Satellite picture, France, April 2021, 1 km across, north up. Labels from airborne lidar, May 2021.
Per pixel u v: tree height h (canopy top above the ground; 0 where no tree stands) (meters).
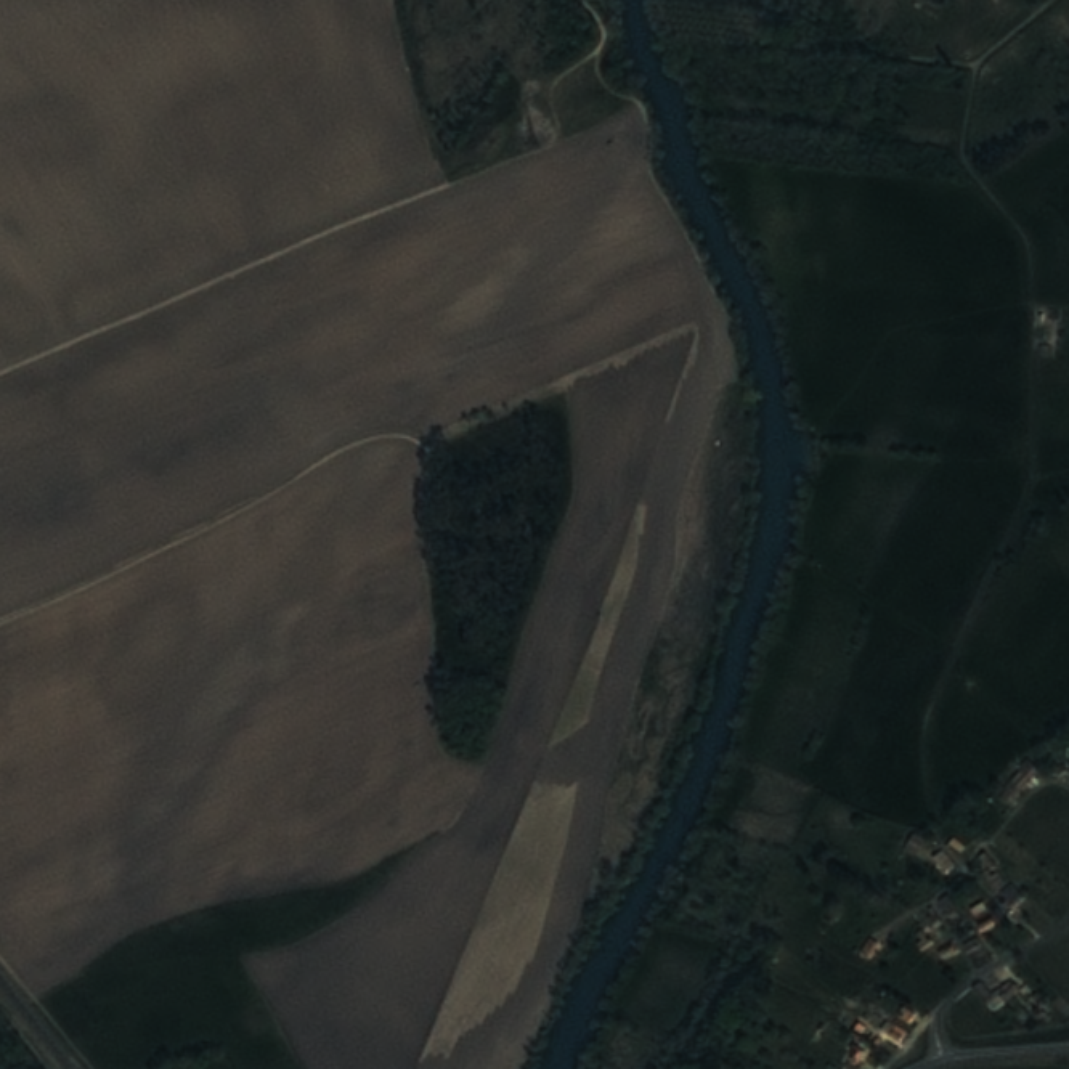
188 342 0
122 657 0
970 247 0
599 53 0
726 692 0
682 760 9
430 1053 0
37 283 0
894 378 0
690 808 0
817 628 0
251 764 0
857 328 0
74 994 0
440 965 0
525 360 0
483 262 0
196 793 0
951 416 0
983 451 0
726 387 0
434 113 11
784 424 0
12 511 0
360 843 0
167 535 0
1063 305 0
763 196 0
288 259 0
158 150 0
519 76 0
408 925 0
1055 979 0
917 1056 0
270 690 0
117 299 0
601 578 0
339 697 0
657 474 0
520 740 0
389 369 0
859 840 0
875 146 7
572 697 0
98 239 0
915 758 0
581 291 0
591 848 0
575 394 0
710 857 18
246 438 0
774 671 0
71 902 0
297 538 0
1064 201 0
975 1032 0
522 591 19
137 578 0
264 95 0
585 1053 16
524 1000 0
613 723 0
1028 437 0
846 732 0
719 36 35
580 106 0
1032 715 0
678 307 0
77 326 0
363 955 0
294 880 0
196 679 0
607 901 19
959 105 0
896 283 0
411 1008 0
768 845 11
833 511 0
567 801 0
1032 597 0
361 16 0
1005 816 0
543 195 0
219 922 0
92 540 0
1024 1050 0
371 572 0
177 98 0
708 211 0
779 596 11
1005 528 0
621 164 0
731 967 7
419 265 0
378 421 0
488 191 0
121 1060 0
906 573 0
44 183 0
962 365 0
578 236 0
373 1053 0
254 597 0
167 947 0
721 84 16
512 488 23
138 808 0
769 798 0
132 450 0
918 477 0
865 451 14
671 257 0
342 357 0
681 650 0
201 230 0
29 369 0
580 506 0
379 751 0
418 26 0
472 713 19
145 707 0
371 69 0
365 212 0
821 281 0
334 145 0
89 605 0
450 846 0
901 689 0
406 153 0
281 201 0
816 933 0
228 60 0
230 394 0
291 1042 0
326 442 0
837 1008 0
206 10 0
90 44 0
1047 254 0
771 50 18
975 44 0
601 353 0
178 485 0
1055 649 0
